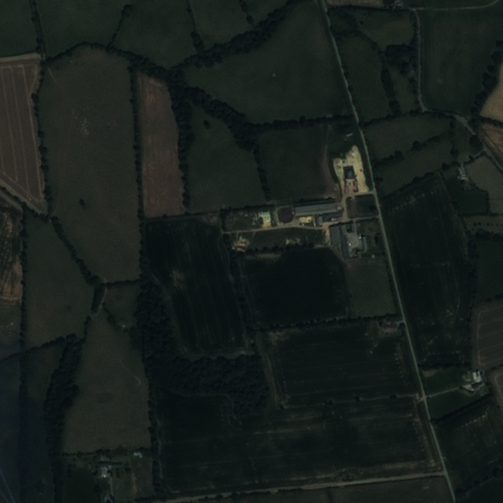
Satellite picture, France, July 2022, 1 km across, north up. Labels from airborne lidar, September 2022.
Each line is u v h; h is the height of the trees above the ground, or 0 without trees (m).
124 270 0
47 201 14
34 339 0
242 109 0
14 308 0
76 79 0
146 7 0
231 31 0
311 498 0
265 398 14
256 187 0
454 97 0
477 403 10
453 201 6
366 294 0
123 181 0
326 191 0
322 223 0
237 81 0
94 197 0
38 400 0
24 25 0
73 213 0
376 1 0
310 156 0
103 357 0
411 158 0
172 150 0
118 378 0
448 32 0
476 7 0
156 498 8
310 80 0
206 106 20
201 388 21
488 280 0
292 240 0
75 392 19
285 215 0
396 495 0
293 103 0
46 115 0
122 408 0
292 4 14
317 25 0
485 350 0
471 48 0
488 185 0
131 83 10
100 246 0
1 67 0
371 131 0
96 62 0
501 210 0
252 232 0
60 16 0
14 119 0
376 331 0
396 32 0
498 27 0
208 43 0
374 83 0
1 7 0
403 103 0
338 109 0
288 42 0
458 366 12
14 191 0
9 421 0
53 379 17
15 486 0
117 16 0
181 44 0
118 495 0
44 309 0
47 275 0
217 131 0
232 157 0
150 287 21
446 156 0
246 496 13
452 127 13
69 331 0
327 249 0
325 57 0
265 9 0
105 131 0
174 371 26
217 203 0
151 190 0
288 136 0
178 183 0
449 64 0
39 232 0
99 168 0
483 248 0
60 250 0
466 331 6
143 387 0
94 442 0
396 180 0
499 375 0
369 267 0
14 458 0
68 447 0
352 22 7
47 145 0
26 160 0
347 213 0
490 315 0
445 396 0
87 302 0
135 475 0
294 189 0
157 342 14
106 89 0
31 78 0
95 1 0
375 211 17
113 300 0
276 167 0
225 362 17
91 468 0
